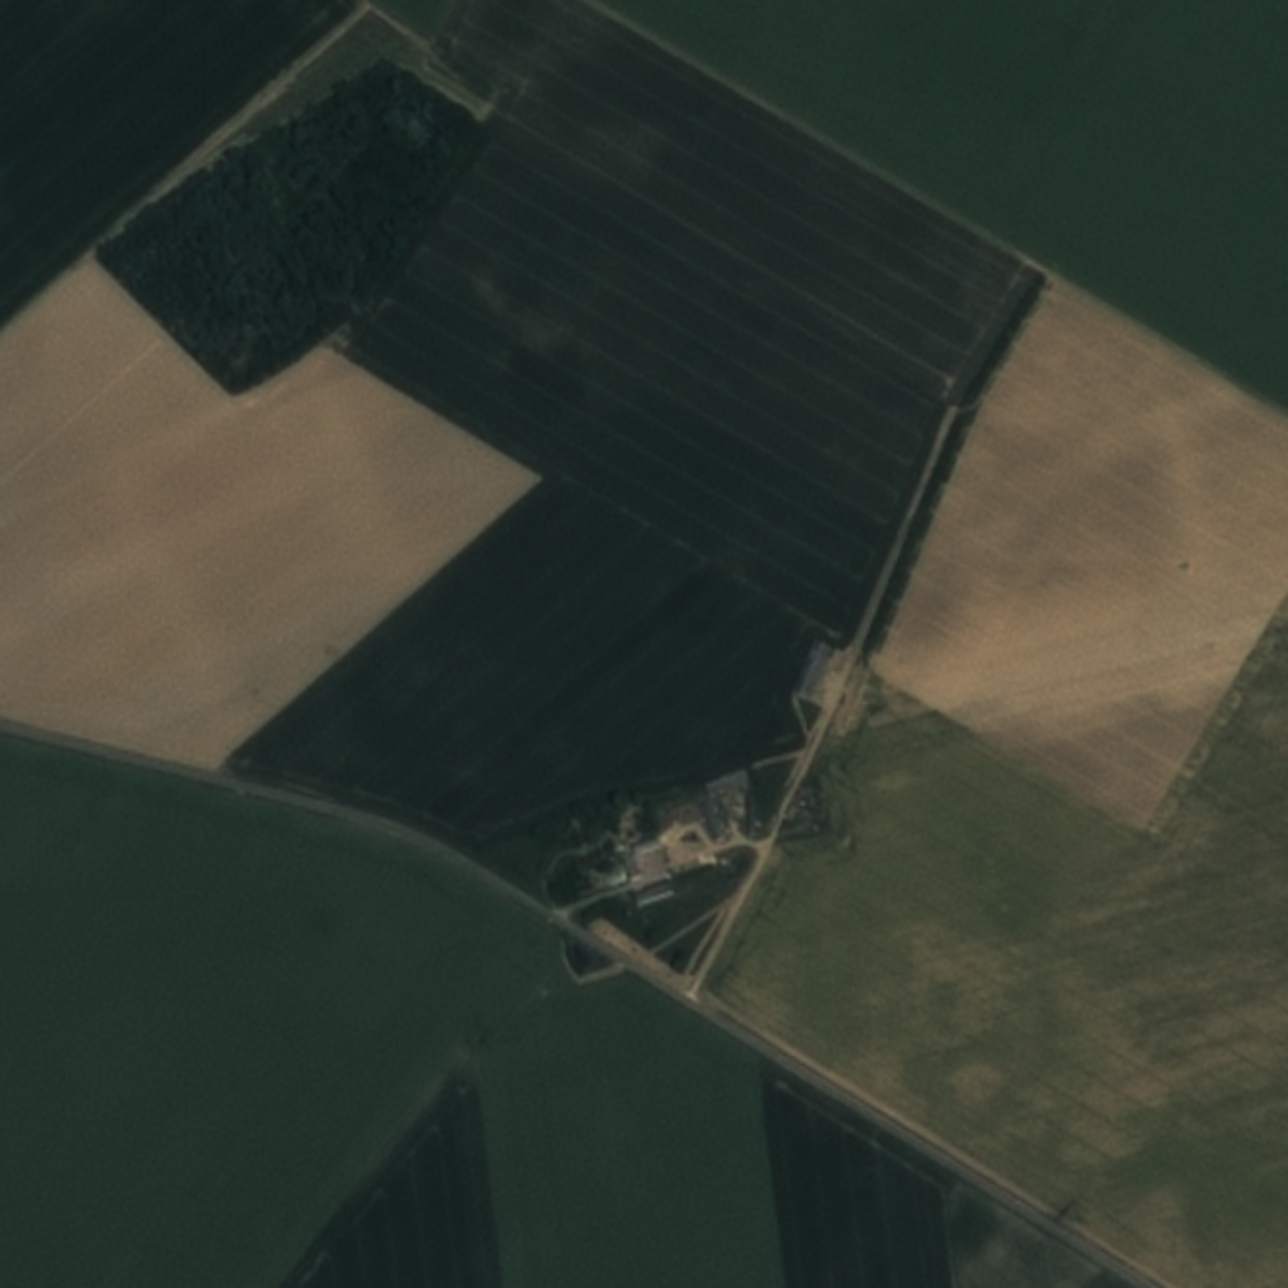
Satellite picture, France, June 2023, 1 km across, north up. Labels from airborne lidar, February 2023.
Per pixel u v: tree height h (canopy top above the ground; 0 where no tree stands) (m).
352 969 0
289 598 0
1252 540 0
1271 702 0
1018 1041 0
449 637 0
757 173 0
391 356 0
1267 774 0
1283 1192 0
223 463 0
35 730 0
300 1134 0
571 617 0
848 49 0
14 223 0
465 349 0
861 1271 0
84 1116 0
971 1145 0
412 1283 0
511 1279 0
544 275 0
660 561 0
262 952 0
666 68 0
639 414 0
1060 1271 0
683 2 0
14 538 0
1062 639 0
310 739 0
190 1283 0
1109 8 0
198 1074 0
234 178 15
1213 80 0
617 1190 0
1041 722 0
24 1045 0
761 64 0
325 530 0
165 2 0
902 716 0
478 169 0
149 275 15
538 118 0
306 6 0
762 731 0
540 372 0
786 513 0
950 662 0
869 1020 0
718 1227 0
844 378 0
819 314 0
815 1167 0
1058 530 0
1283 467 0
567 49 0
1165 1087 0
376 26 0
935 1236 0
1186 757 0
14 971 0
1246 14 0
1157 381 0
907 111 0
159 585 0
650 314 0
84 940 0
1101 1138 0
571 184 0
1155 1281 0
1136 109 0
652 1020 0
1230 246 0
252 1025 0
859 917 0
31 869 0
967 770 0
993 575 0
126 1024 0
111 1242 0
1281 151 0
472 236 0
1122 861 0
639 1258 0
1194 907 0
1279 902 0
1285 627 0
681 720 0
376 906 0
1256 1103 0
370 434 0
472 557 0
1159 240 0
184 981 0
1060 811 0
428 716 0
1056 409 0
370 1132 0
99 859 0
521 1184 0
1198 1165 0
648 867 0
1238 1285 0
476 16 0
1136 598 0
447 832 0
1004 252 0
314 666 0
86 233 0
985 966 0
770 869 0
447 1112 0
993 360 0
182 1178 0
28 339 0
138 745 0
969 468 0
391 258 8
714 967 0
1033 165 0
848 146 0
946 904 0
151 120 0
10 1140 0
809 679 0
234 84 0
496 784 0
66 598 0
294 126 9
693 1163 0
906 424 0
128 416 0
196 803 0
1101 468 0
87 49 0
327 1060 0
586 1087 0
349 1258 0
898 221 0
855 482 0
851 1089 0
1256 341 0
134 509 0
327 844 0
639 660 0
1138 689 0
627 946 0
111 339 0
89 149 0
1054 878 0
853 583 0
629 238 0
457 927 0
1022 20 0
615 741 0
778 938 0
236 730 0
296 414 0
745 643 0
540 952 0
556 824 0
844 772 0
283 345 6
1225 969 0
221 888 0
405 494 0
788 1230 0
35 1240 0
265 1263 0
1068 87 0
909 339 0
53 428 0
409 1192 0
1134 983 0
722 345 0
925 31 0
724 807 0
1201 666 0
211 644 0
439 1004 0
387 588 0
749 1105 0
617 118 0
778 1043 0
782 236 0
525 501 0
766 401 0
